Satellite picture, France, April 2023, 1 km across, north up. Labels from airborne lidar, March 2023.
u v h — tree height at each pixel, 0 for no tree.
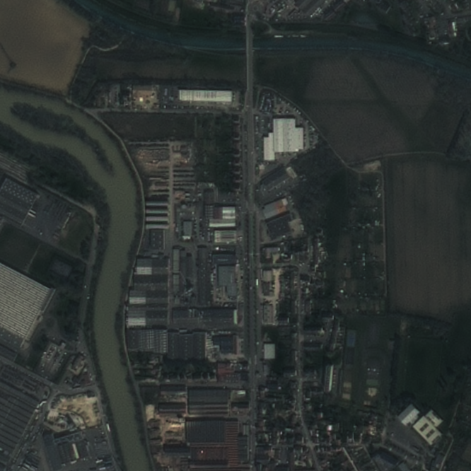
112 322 0
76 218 0
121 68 0
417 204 0
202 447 0
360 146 0
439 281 0
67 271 0
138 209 12
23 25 0
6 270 0
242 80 0
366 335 0
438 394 0
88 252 7
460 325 0
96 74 12
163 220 0
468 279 0
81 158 0
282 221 0
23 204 0
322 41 0
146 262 0
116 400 0
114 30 18
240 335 0
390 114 0
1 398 0
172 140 0
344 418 13
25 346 0
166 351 0
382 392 0
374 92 0
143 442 5
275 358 0
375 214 0
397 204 0
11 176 0
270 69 0
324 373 6
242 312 0
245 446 0
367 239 0
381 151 0
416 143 0
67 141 0
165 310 0
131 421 0
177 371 9
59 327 0
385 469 0
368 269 0
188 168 0
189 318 0
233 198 0
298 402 0
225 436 0
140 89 0
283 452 0
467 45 8
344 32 0
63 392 0
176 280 0
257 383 0
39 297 0
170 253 0
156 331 0
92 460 0
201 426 0
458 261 0
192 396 0
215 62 0
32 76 0
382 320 0
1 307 0
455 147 7
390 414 11
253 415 0
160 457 0
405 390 0
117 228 0
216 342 0
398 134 0
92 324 8
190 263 0
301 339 0
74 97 18
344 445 0
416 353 0
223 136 0
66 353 0
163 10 0
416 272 0
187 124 0
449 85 23
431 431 0
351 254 0
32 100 0
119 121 0
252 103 0
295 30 0
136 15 0
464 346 0
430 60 0
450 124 0
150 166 0
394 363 10
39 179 13
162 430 0
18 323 0
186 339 0
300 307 0
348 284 0
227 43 0
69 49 0
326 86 0
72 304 12
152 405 0
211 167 0
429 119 0
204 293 0
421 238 0
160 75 0
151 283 0
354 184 0
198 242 0
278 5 0
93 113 0
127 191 0
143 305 0
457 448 6
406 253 0
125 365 7
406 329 0
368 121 0
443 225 0
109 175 0
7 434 0
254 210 0
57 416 0
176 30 0
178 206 0
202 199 0
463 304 0
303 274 0
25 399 0
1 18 0
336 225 0
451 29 0
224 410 0
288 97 0
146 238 0
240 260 0
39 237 0
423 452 8
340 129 0
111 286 0
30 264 0
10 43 0
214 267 0
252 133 0
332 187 0
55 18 0
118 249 0
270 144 0
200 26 0
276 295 0
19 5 0
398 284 0
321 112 0
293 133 0
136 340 0
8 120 0
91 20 16
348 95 0
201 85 10
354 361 0
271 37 0
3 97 0
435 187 0
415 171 0
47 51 0
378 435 9
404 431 0
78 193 0
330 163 11
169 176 0
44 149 16
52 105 0
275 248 0
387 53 12
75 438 0
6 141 0
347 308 0
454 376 17
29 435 0
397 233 0
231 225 0
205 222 0
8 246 0
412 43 0
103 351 0
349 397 0
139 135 0
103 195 8
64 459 0
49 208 0
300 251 0
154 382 0
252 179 0
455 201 0
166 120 0
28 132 0
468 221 0
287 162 0
